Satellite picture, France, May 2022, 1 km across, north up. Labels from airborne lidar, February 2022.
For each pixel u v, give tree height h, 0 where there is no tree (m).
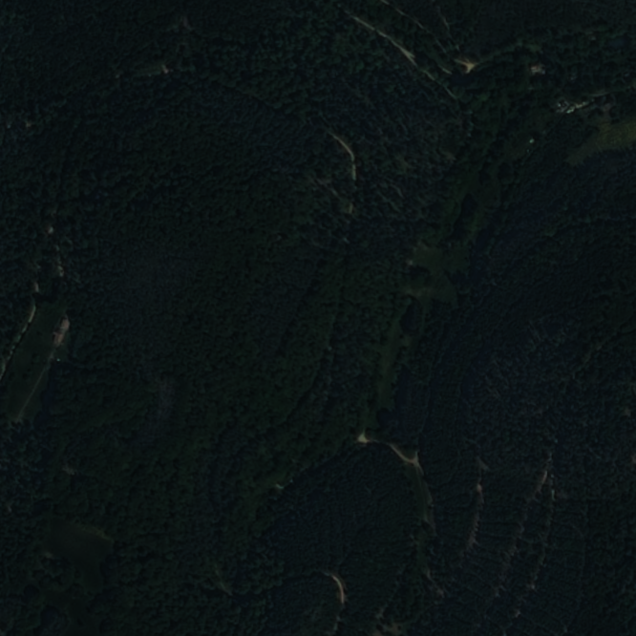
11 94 11
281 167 31
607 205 10
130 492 29
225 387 24
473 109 26
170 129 24
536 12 11
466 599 18
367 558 18
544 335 25
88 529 0
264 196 23
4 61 12
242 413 31
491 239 22
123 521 30
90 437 32
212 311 26
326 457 14
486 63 0
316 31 34
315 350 26
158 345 26
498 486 12
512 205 9
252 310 29
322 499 20
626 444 22
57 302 25
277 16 10
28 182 12
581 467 24
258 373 28
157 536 28
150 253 24
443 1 14
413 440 26
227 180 27
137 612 33
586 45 14
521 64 21
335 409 32
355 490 17
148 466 32
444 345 15
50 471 30
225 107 30
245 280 28
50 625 23
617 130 0
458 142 8
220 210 27
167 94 21
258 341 29
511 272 19
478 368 30
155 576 32
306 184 24
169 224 25
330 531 20
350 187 13
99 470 32
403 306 21
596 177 21
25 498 32
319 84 31
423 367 11
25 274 27
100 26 6
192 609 38
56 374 21
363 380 27
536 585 12
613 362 12
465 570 17
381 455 21
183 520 28
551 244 15
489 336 7
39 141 18
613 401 9
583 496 14
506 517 19
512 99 15
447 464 13
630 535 24
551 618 12
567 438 30
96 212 27
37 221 26
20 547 24
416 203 32
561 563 12
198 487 27
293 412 27
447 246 26
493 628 16
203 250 17
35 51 9
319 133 28
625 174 16
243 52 32
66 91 8
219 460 32
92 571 0
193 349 23
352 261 33
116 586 18
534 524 17
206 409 22
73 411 29
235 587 28
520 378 29
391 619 19
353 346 32
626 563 20
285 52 33
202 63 31
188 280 20
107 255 20
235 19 14
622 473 19
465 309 13
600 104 14
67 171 22
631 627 14
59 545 0
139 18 10
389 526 19
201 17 10
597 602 14
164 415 25
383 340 25
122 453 30
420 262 0
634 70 12
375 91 34
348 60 26
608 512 16
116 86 12
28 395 0
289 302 30
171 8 11
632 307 10
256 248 25
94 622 0
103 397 24
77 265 31
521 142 0
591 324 13
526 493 13
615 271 35
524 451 31
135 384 28
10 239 29
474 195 0
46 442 30
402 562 18
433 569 12
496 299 13
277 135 27
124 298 23
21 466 36
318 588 20
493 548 13
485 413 29
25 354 0
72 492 24
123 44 15
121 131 25
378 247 31
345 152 34
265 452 34
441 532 18
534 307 14
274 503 20
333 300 28
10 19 11
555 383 27
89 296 26
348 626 16
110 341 25
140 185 21
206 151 25
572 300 14
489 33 6
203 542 29
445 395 16
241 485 35
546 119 0
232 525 36
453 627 19
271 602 16
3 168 30
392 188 32
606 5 27
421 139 18
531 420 7
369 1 22
